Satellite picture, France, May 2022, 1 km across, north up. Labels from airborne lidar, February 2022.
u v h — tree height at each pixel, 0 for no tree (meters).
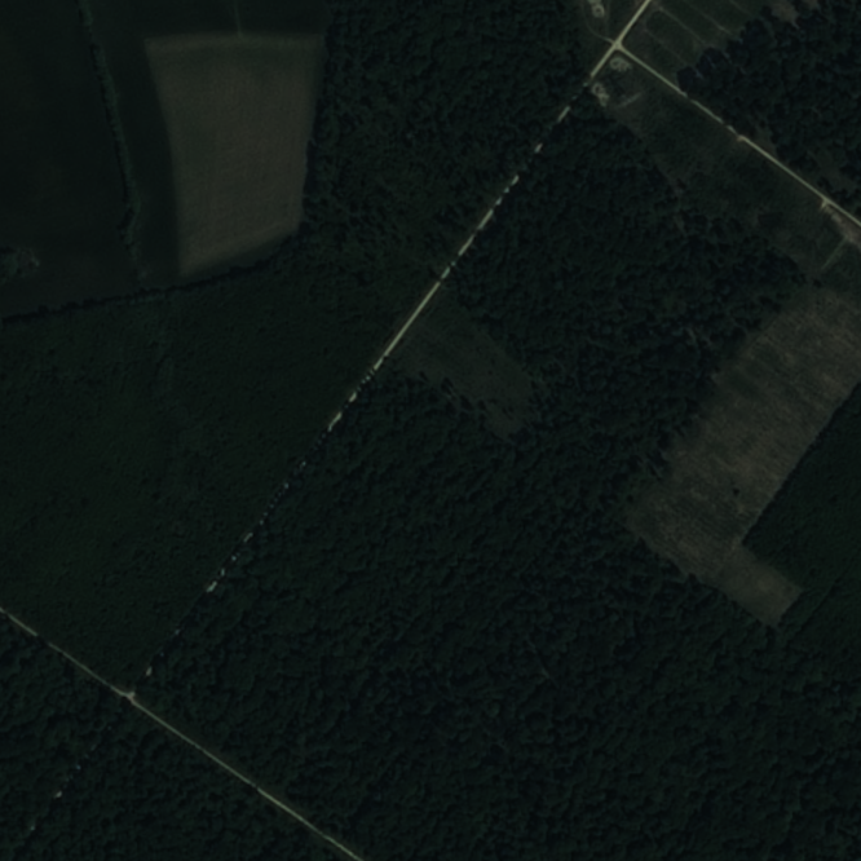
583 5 0
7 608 13
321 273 9
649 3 0
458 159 27
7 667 29
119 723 28
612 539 25
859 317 0
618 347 28
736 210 0
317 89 0
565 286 26
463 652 22
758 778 14
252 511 12
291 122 0
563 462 23
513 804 24
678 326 19
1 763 28
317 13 0
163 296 10
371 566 22
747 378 0
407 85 27
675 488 0
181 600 10
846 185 0
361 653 26
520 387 0
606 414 28
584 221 25
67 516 13
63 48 0
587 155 27
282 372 12
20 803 27
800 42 28
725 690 27
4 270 16
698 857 28
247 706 27
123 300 9
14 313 0
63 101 0
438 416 27
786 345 0
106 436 11
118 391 10
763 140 0
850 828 26
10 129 0
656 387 23
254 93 0
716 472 0
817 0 0
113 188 0
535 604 27
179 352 10
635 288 27
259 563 26
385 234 26
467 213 25
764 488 0
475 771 21
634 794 28
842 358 0
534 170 24
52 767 28
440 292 0
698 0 0
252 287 12
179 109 0
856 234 0
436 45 25
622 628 29
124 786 25
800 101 30
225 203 0
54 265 0
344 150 7
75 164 0
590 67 6
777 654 25
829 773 28
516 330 21
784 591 0
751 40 23
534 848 26
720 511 0
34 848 24
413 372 0
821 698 33
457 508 26
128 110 0
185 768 22
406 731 29
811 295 0
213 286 14
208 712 26
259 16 0
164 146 0
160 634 10
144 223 0
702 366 28
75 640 11
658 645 29
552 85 25
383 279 8
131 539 17
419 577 24
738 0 0
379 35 23
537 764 27
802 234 0
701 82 23
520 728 26
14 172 0
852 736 29
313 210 22
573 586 27
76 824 22
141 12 0
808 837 27
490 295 24
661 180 30
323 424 8
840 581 7
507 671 29
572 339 22
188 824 20
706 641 23
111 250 0
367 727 28
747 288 31
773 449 0
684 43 0
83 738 24
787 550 7
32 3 0
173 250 0
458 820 22
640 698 28
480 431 24
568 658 30
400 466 25
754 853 28
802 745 28
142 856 25
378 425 26
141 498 9
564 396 25
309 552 21
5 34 0
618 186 24
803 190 0
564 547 28
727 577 0
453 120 26
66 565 7
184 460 13
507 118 13
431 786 26
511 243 25
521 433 0
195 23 0
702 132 6
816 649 10
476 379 0
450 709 25
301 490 23
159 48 0
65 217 0
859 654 11
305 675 22
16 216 0
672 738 26
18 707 27
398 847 23
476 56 23
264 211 0
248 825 27
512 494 25
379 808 26
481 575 24
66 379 9
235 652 27
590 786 27
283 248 7
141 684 21
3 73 0
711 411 0
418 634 19
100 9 0
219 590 24
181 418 18
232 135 0
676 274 26
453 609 24
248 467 10
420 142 28
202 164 0
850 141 28
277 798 0
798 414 0
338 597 23
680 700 25
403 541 23
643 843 30
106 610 11
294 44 0
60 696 30
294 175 0
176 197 0
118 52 0
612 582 31
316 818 8
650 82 0
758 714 29
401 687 31
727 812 23
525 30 23
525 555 22
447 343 0
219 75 0
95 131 0
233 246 0
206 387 8
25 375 10
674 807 30
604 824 24
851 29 28
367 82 26
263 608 27
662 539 0
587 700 31
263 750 22
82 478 12
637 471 26
